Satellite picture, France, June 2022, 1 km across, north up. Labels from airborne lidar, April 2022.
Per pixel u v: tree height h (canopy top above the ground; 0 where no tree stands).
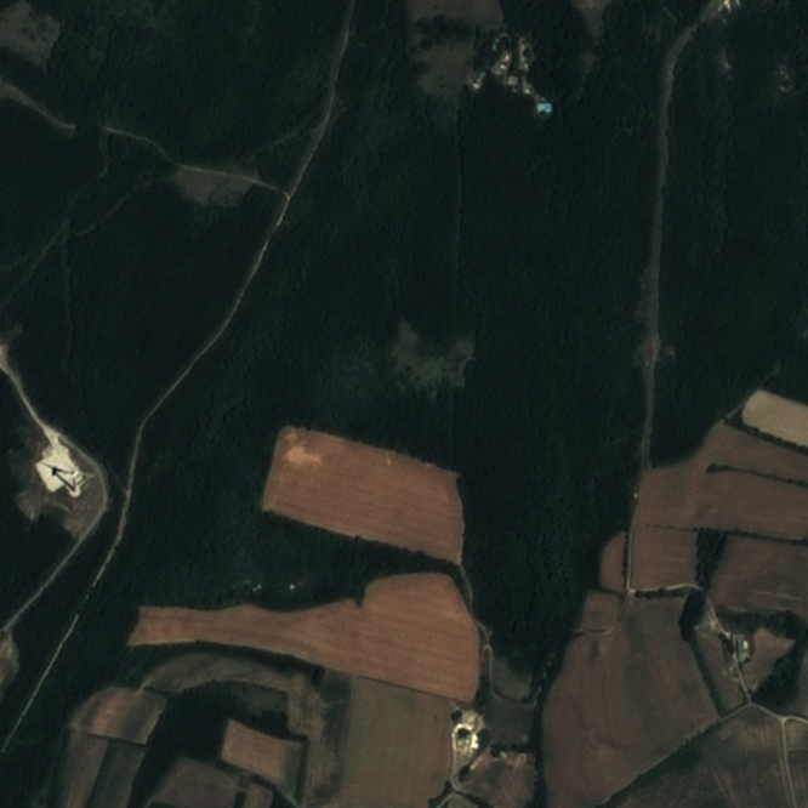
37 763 8
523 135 14
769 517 0
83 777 0
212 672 0
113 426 10
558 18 15
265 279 8
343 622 0
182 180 0
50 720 6
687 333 8
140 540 6
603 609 0
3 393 9
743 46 7
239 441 11
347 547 11
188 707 7
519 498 12
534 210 11
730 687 0
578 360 8
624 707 0
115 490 8
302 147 7
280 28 6
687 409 8
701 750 0
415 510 0
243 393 10
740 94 10
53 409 8
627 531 9
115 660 9
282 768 0
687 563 0
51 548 8
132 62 9
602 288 10
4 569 10
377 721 0
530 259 12
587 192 10
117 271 6
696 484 0
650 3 10
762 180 9
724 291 9
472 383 13
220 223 9
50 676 6
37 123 12
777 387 6
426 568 9
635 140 10
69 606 6
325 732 0
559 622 10
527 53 12
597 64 9
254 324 8
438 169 11
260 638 0
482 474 10
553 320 13
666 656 0
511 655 9
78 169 8
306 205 6
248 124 12
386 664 0
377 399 7
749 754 0
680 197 9
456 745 0
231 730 0
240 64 7
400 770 0
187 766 0
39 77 12
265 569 5
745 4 6
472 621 0
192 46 7
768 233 8
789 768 0
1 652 0
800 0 13
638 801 0
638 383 9
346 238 10
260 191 8
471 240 8
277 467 0
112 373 8
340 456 0
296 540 6
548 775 0
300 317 10
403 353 0
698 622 15
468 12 0
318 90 9
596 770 0
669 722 0
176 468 6
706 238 8
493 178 9
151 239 8
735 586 0
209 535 8
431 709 0
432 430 7
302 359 6
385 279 8
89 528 0
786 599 0
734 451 0
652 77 10
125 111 10
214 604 10
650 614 0
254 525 8
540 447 14
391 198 10
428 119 7
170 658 6
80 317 11
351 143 6
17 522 8
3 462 11
